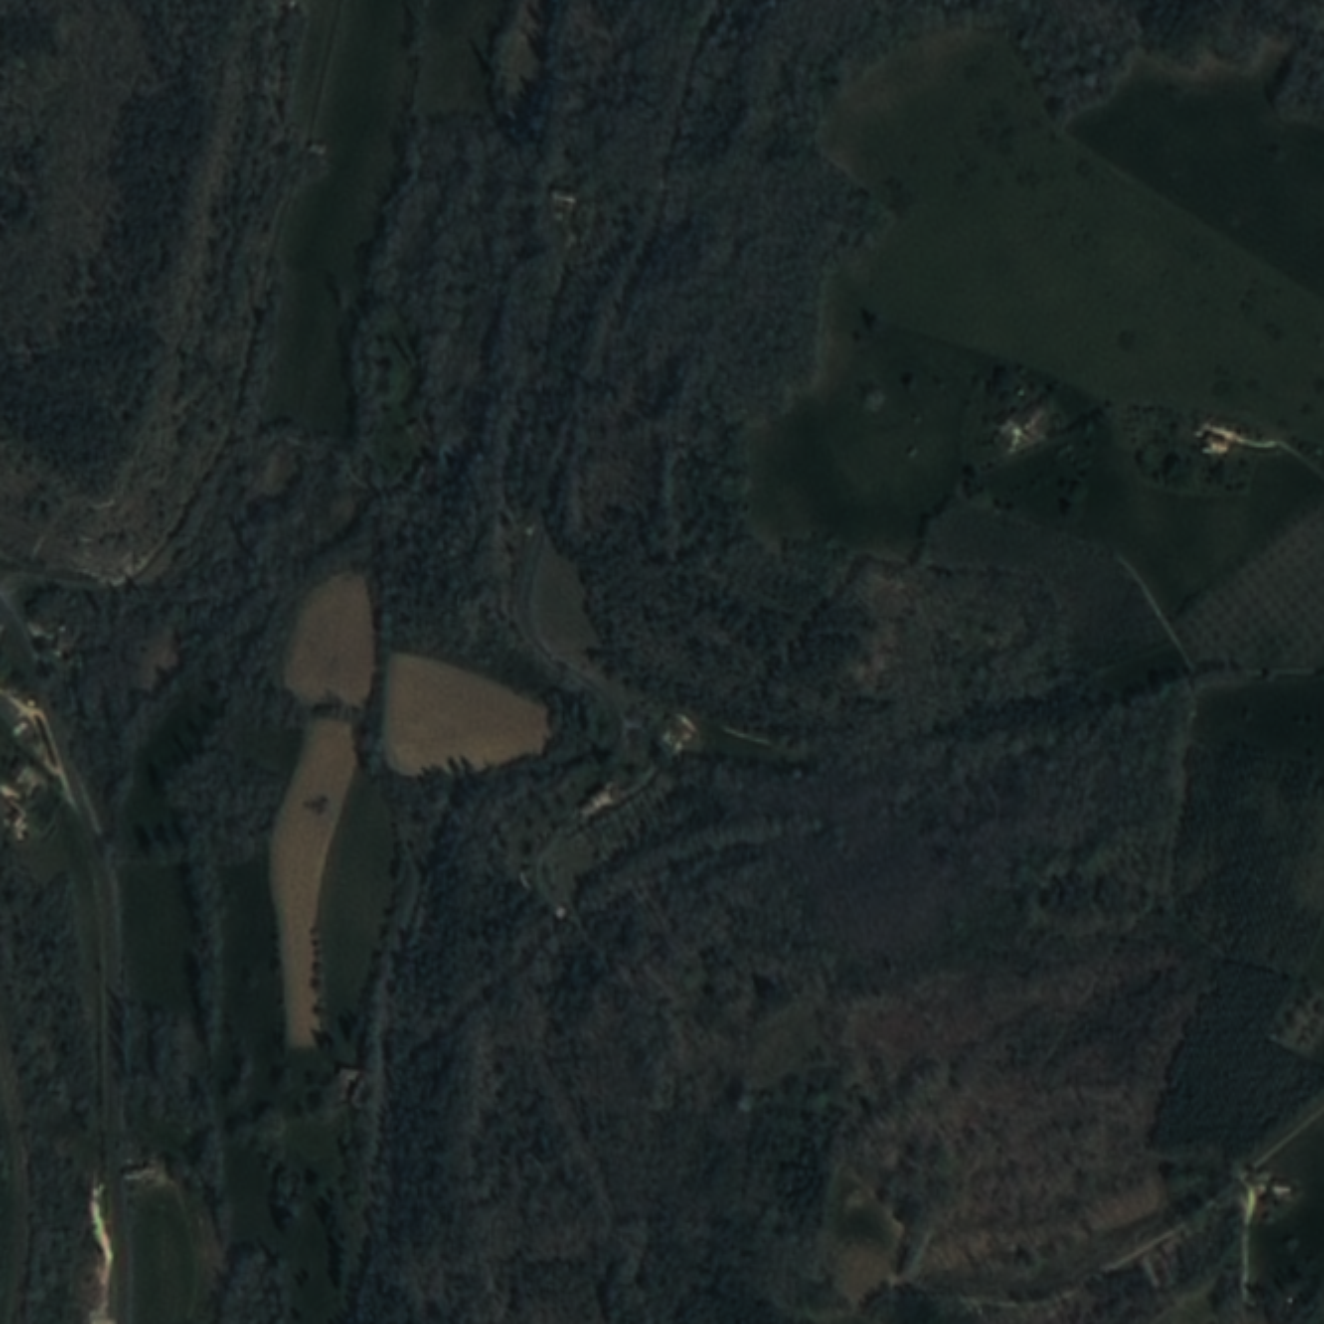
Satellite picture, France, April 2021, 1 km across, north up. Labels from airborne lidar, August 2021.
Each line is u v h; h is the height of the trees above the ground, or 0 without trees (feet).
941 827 32
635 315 45
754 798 53
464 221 80
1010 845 58
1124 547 0
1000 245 0
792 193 55
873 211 46
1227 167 0
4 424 33
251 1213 0
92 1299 0
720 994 42
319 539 39
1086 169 0
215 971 65
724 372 74
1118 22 62
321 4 0
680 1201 36
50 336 37
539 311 40
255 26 58
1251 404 0
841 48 62
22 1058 41
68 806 0
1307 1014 34
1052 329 0
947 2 65
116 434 28
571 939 38
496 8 0
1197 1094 33
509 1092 27
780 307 68
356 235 0
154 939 0
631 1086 34
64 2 48
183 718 0
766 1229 37
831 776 55
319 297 0
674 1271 65
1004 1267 54
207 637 48
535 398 30
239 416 59
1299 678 0
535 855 42
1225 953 20
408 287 32
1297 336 0
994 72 0
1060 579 56
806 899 51
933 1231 71
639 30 40
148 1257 0
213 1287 0
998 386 37
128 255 64
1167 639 33
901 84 0
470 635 30
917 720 74
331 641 0
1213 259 0
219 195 37
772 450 0
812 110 41
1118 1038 25
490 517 67
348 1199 20
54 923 19
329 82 0
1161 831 70
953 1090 35
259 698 57
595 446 29
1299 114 58
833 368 0
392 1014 26
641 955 54
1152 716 45
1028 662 59
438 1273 37
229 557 18
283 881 0
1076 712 67
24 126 35
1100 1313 21
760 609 52
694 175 63
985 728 73
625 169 59
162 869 94
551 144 54
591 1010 36
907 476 0
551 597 0
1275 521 0
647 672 19
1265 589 42
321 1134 0
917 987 21
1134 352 0
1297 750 0
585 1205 36
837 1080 27
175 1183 48
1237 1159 36
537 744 0
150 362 55
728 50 49
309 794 0
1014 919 25
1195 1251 37
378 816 0
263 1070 0
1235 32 48
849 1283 0
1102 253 0
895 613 0
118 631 52
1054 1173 56
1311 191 0
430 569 36
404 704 0
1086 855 41
